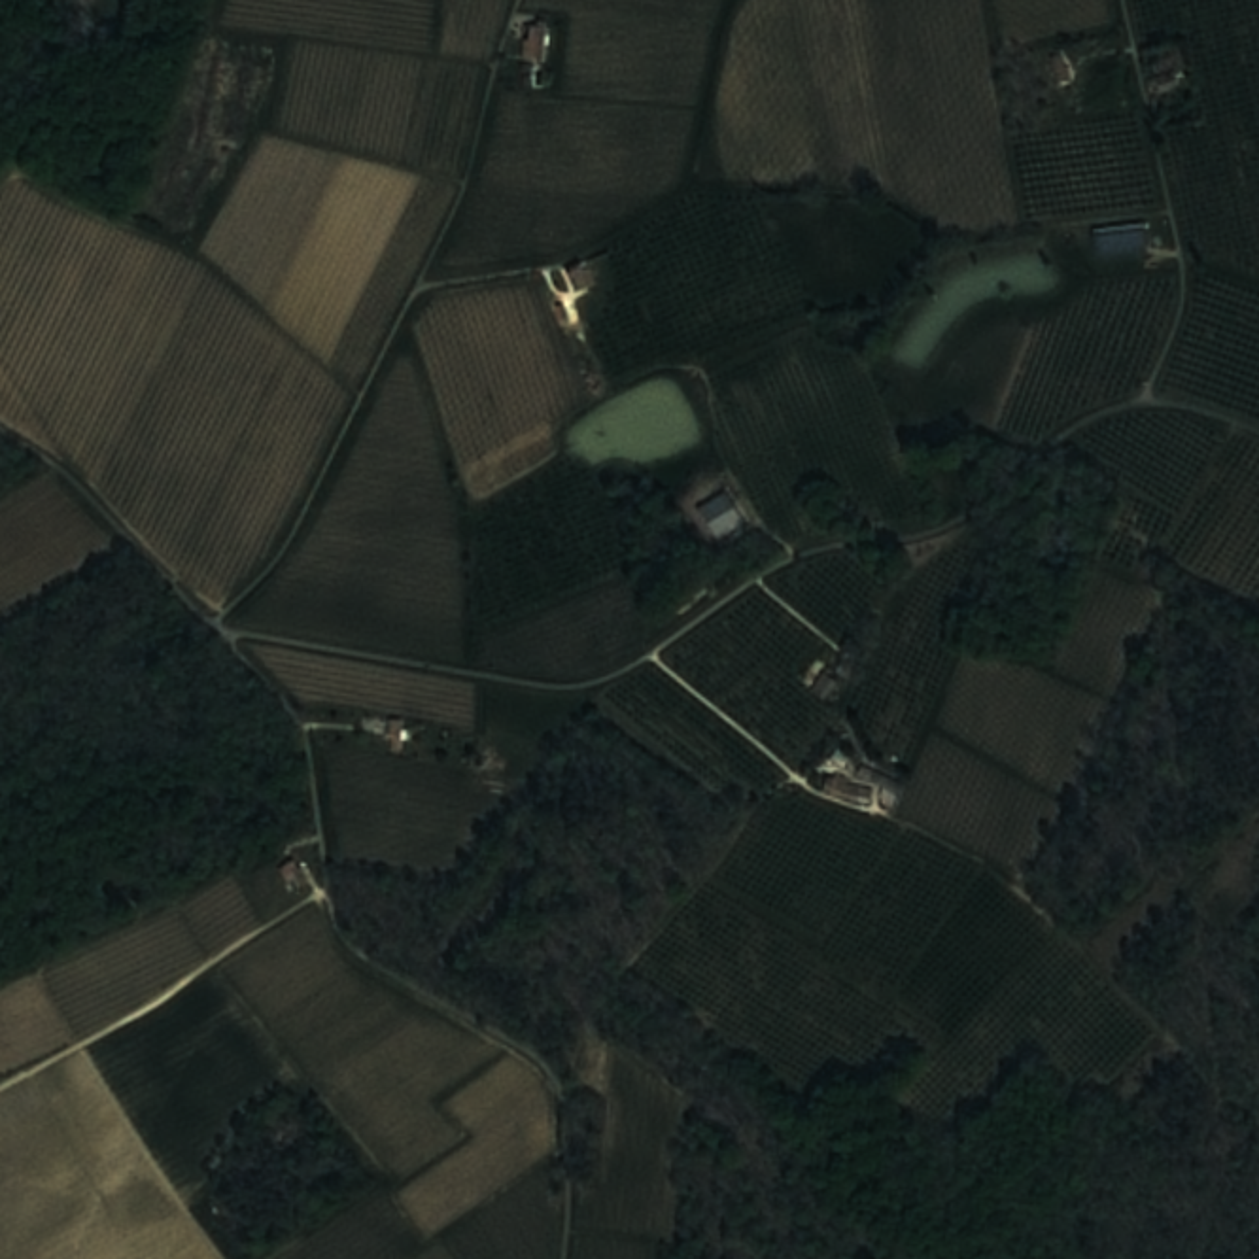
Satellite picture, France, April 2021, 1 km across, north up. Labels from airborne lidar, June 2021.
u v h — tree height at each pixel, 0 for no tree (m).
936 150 0
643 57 0
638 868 17
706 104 0
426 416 0
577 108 0
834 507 19
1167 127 7
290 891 0
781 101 0
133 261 0
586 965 15
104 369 0
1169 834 20
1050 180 6
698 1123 16
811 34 0
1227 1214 13
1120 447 6
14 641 20
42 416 0
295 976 0
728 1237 17
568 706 0
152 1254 0
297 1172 19
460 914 19
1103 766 21
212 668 20
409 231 0
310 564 0
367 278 0
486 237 0
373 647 0
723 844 16
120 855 22
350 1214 0
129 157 25
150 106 24
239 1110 0
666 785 17
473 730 0
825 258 0
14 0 27
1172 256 0
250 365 0
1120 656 0
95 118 22
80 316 0
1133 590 0
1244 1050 18
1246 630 17
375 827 0
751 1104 24
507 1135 0
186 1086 0
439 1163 0
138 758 22
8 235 0
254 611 0
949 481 0
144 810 29
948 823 0
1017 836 0
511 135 0
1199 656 11
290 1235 22
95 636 16
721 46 0
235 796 23
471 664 0
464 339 0
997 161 0
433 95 0
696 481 0
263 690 20
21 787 26
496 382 0
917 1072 19
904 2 0
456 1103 0
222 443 0
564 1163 11
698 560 26
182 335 0
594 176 0
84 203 16
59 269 0
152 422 0
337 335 0
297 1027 0
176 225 0
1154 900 0
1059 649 17
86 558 0
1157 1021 17
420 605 0
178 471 0
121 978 0
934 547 0
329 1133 14
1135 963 21
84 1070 0
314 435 0
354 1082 0
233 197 0
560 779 16
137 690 21
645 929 18
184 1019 0
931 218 0
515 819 18
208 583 0
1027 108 11
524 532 6
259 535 0
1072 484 22
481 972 19
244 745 25
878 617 13
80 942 20
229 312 0
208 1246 0
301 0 0
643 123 0
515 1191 0
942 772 0
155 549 0
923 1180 25
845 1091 25
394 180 0
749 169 0
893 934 5
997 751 0
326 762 0
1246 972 17
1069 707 0
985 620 26
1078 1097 7
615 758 20
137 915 15
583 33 0
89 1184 0
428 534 0
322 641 0
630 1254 0
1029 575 23
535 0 0
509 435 0
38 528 0
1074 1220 19
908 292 15
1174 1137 18
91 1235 0
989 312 0
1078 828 19
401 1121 0
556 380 0
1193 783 19
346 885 13
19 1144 0
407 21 0
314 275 0
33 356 0
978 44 0
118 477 0
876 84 0
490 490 0
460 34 0
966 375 0
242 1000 0
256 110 0
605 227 0
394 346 0
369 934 15
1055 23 0
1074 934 17
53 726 23
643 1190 0
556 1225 0
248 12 0
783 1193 14
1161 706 7
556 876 18
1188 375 6
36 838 32
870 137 0
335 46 0
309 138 0
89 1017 0
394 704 0
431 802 0
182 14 19
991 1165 23
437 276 0
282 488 0
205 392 0
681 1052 18
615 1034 16
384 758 0
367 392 0
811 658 0
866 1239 15
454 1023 0
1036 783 0
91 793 26
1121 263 0
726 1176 16
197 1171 0
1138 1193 20
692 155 0
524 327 0
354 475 0
